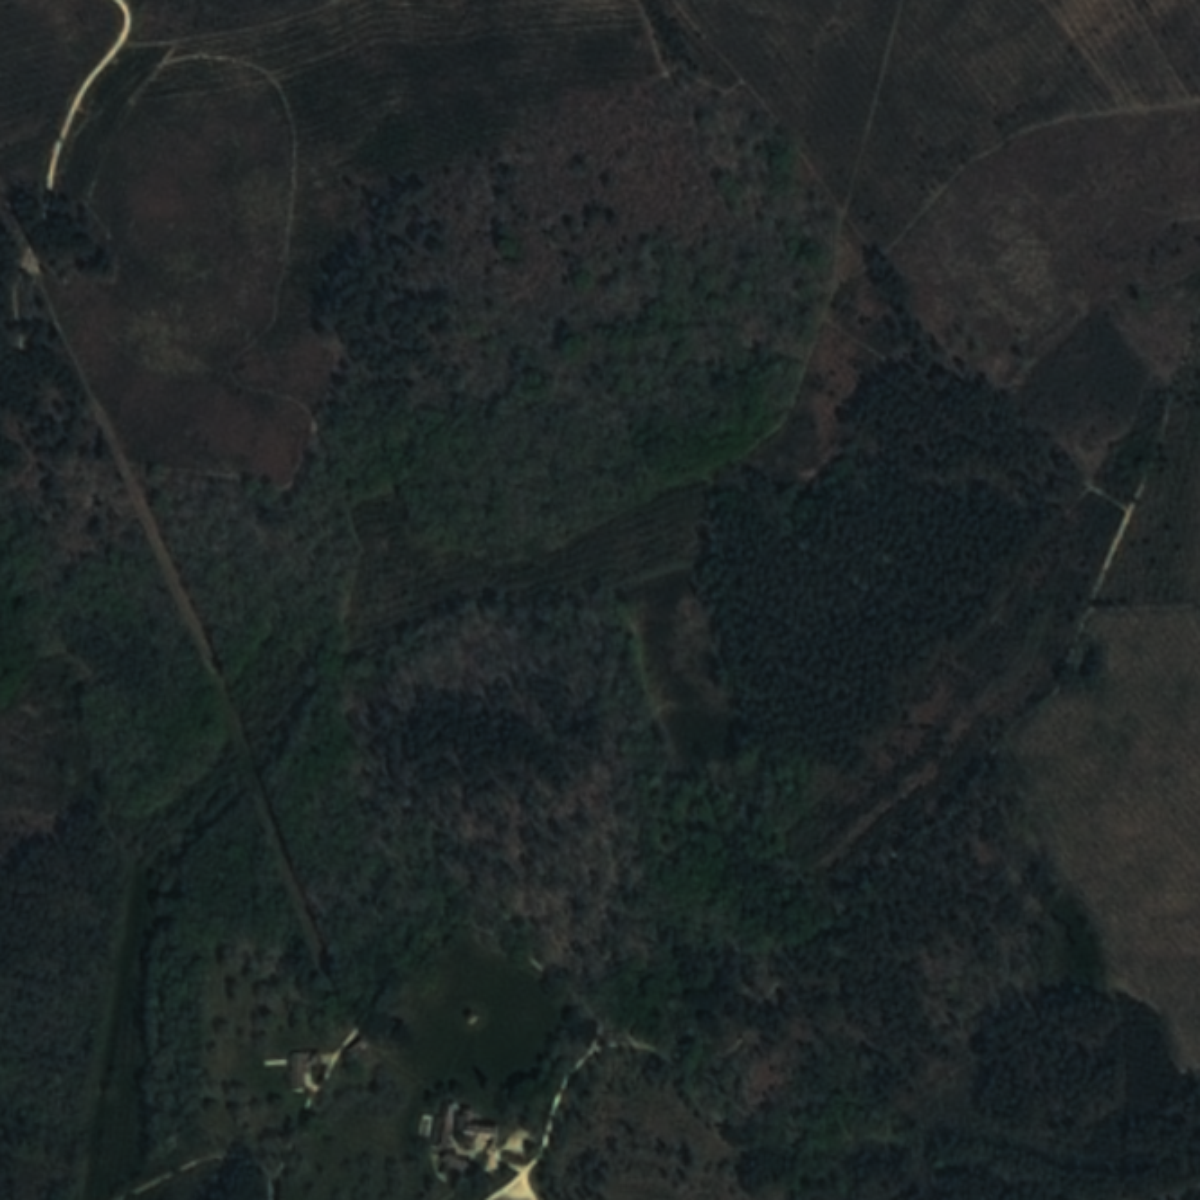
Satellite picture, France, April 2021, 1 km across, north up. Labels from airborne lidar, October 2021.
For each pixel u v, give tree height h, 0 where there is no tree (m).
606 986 19
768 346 11
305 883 18
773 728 22
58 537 6
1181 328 0
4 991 14
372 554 8
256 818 14
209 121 0
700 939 13
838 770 23
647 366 14
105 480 10
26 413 17
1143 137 0
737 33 0
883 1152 8
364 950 18
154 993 12
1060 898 16
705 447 20
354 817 18
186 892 16
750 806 10
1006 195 0
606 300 17
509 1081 0
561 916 13
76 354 0
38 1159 22
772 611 27
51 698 8
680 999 13
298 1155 8
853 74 0
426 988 18
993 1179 17
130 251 0
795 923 25
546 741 16
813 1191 23
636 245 6
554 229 7
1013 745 19
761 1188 22
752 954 18
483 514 14
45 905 25
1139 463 8
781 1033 26
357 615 6
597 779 20
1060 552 7
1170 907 23
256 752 11
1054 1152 18
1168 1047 11
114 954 24
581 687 12
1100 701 18
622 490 19
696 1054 23
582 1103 18
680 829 14
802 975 24
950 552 24
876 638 24
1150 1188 24
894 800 8
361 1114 15
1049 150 6
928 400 21
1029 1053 21
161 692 21
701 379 18
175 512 9
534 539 16
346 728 19
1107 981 17
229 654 20
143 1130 7
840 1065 12
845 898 24
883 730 23
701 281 16
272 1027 15
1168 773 19
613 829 19
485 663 14
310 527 17
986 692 13
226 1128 0
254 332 0
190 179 0
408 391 10
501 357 10
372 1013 19
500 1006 0
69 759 7
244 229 0
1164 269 7
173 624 17
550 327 15
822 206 8
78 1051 14
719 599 24
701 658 0
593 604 21
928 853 17
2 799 16
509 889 16
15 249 21
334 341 20
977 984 9
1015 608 7
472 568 7
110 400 0
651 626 0
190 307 0
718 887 20
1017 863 16
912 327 23
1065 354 7
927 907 23
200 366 0
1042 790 24
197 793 7
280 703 7
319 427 17
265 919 21
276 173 0
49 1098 16
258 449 0
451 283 11
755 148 11
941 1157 23
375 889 12
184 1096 15
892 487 24
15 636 10
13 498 10
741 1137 14
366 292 23
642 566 6
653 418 16
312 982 15
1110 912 23
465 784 19
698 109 8
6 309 18
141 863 10
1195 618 18
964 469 25
